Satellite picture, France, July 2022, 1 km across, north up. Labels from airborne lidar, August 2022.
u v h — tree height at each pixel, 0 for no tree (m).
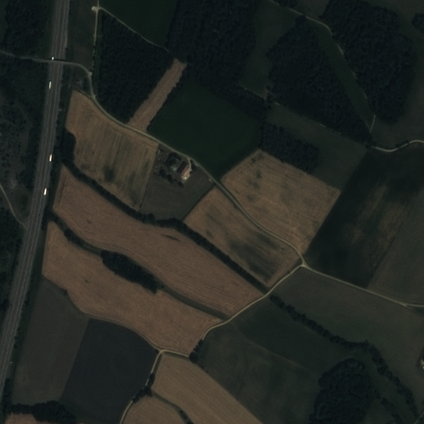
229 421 0
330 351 0
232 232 0
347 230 0
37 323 0
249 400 0
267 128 18
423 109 0
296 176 0
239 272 12
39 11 7
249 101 22
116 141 0
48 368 0
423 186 0
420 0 0
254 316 0
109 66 18
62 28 0
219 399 0
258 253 0
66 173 0
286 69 20
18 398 0
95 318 0
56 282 0
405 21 0
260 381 0
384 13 21
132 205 0
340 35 13
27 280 0
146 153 0
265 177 0
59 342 0
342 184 0
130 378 0
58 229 0
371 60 25
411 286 0
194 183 0
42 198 0
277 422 0
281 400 0
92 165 0
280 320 0
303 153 7
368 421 0
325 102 22
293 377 0
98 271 0
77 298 0
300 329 0
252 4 21
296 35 26
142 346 0
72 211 0
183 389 0
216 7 27
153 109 0
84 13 0
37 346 0
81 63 0
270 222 0
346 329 0
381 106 26
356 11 21
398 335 0
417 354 0
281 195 0
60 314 0
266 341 0
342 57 0
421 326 0
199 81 12
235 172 0
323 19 11
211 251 14
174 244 0
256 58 0
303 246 0
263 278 0
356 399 26
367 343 13
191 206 0
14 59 8
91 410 0
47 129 0
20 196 0
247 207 0
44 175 0
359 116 10
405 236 0
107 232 0
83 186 0
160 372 0
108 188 0
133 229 0
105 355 0
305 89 17
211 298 0
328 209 0
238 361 0
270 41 0
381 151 0
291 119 0
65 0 0
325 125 10
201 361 0
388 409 18
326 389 18
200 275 0
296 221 0
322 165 0
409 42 25
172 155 10
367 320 0
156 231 0
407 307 0
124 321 0
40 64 8
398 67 25
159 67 16
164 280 0
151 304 0
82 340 0
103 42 8
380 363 16
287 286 0
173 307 0
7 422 0
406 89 23
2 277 11
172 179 15
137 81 17
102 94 10
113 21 11
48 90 0
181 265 0
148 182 0
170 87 0
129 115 11
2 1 0
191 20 28
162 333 0
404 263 0
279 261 0
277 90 22
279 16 0
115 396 0
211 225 0
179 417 0
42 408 20
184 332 0
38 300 0
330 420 26
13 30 17
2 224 11
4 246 16
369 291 0
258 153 0
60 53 0
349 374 18
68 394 0
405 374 0
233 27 30
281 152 18
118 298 0
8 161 7
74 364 0
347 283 0
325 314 0
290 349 0
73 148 15
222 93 20
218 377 0
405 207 0
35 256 0
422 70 0
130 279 16
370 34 12
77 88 0
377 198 0
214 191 0
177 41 29
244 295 0
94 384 0
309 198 0
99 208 0
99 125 0
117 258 20
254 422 0
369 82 11
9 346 0
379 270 0
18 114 7
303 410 0
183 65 0
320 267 0
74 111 0
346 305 0
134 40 16
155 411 0
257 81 0
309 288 0
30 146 6
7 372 0
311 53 22
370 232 0
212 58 18
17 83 5
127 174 0
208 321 0
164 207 0
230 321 0
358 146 0
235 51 22
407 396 18
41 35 7
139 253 0
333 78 20
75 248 0
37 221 0
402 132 0
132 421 0
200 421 0
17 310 0
